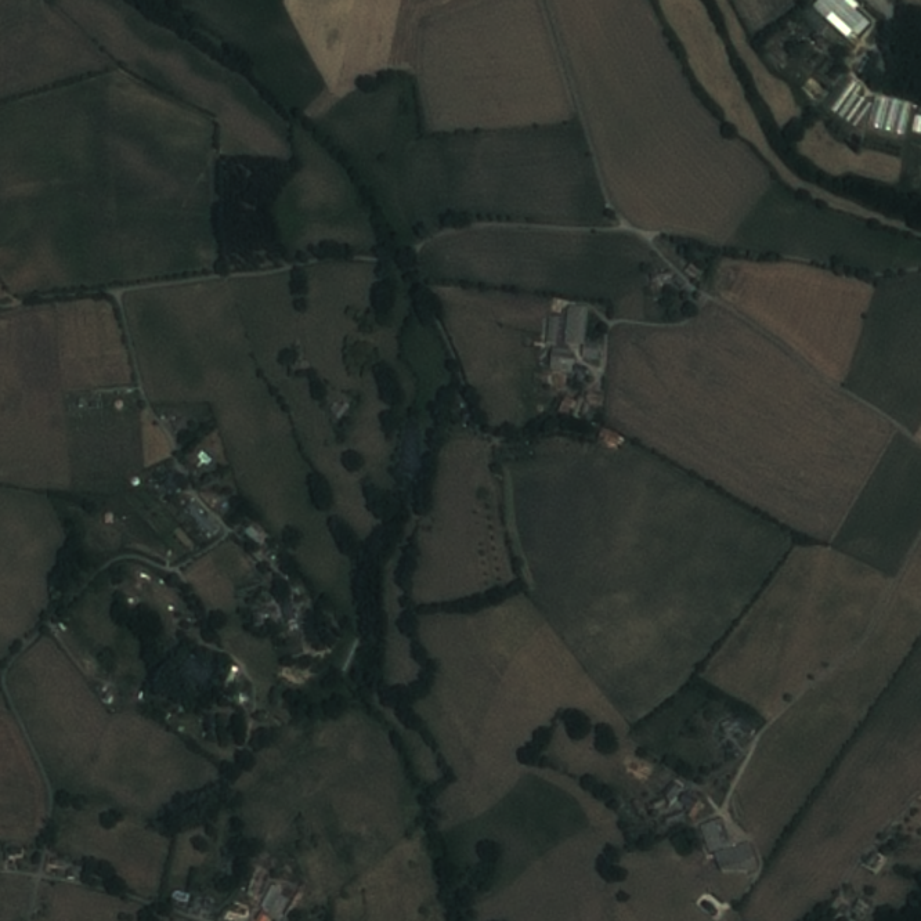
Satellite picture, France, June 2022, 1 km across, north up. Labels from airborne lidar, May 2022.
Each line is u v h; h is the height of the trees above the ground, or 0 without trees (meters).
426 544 0
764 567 0
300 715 6
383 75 14
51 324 0
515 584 11
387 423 21
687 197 0
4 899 0
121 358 0
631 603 0
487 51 0
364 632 16
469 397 20
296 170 13
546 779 0
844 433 0
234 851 18
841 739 0
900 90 18
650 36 0
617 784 0
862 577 0
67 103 0
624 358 0
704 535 0
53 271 0
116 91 0
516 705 0
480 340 0
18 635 0
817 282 0
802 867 0
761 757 0
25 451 0
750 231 0
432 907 0
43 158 0
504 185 0
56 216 0
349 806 0
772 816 0
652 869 0
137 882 0
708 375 0
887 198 22
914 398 0
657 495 0
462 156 0
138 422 0
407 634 16
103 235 0
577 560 0
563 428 16
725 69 0
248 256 20
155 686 24
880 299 0
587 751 0
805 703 0
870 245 0
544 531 0
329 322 0
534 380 0
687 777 16
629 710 0
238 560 0
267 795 0
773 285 0
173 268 0
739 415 0
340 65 0
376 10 0
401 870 0
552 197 0
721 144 0
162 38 0
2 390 0
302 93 0
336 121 0
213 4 0
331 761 0
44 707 0
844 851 0
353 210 0
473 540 0
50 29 0
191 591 7
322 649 23
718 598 0
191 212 0
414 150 0
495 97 0
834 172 0
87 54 0
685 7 0
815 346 0
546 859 0
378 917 0
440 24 0
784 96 0
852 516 0
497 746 0
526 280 0
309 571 0
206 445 0
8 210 0
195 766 0
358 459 19
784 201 0
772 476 0
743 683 0
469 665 0
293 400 0
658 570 0
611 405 0
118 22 0
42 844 11
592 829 0
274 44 0
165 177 0
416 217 0
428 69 0
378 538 23
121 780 0
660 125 0
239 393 0
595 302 8
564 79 0
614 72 0
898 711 0
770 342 0
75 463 0
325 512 18
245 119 0
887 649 0
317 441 0
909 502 0
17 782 0
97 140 0
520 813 0
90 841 0
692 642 0
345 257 13
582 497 0
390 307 17
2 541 0
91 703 0
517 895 0
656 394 0
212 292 0
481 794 0
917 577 0
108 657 13
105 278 0
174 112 0
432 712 0
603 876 19
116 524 0
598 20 0
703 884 0
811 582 0
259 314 0
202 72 0
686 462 0
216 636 7
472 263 0
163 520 0
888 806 0
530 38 0
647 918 0
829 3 0
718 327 0
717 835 0
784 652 0
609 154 0
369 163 0
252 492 0
